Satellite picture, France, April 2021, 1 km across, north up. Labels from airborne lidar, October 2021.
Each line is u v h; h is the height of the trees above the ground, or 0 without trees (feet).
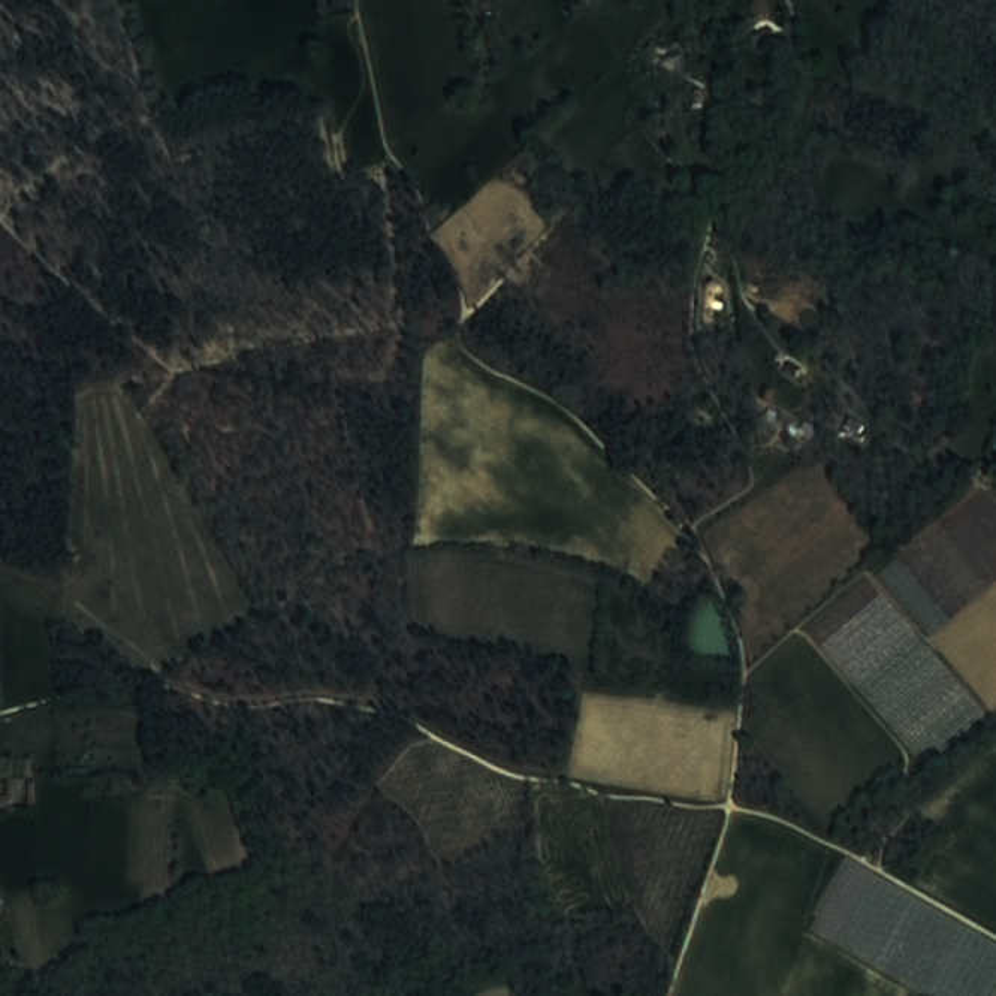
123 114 39
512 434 0
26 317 48
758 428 62
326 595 46
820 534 0
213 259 61
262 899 69
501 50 0
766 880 0
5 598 0
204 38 0
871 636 0
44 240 32
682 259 78
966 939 0
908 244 50
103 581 0
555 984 62
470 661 36
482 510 0
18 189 20
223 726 39
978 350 60
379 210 63
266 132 72
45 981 62
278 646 72
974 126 83
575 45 0
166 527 0
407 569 46
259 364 20
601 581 45
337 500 34
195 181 41
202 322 65
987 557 0
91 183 34
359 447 60
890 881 0
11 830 0
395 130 0
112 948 71
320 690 48
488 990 61
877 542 22
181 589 0
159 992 52
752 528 0
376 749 88
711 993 0
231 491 29
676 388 43
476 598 0
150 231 79
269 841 57
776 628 0
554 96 0
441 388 0
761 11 0
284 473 33
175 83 0
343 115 0
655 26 0
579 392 32
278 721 36
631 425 43
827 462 35
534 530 0
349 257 65
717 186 86
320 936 44
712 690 23
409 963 61
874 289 48
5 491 79
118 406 0
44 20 42
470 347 41
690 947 0
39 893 50
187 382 40
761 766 28
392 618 52
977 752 74
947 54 62
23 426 80
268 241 60
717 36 58
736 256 55
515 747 73
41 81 51
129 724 0
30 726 0
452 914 40
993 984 0
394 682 35
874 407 51
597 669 36
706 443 53
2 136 32
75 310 56
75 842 0
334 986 55
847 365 41
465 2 22
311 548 61
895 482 55
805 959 0
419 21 0
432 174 0
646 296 32
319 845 60
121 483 0
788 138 91
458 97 60
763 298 0
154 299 67
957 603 0
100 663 79
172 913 65
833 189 0
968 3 77
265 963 75
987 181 52
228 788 52
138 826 0
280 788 91
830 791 0
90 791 32
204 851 0
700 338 31
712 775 0
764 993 0
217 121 67
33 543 69
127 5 50
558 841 0
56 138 57
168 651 0
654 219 74
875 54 71
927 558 0
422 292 62
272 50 0
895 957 0
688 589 41
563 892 0
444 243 0
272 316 30
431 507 0
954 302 42
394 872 62
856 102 32
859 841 43
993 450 25
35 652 0
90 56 32
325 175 54
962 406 66
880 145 35
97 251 43
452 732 78
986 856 0
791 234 65
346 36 0
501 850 64
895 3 70
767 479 0
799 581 0
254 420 50
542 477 0
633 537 0
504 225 0
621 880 0
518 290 20
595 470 0
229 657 85
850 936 0
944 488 67
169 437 49
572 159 0
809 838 0
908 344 63
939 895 0
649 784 0
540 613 0
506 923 63
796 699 0
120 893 0
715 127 87
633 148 0
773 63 61
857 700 0
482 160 0
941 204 29
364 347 43
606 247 66
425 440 0
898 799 74
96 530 0
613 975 46
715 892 0
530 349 26
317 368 58
